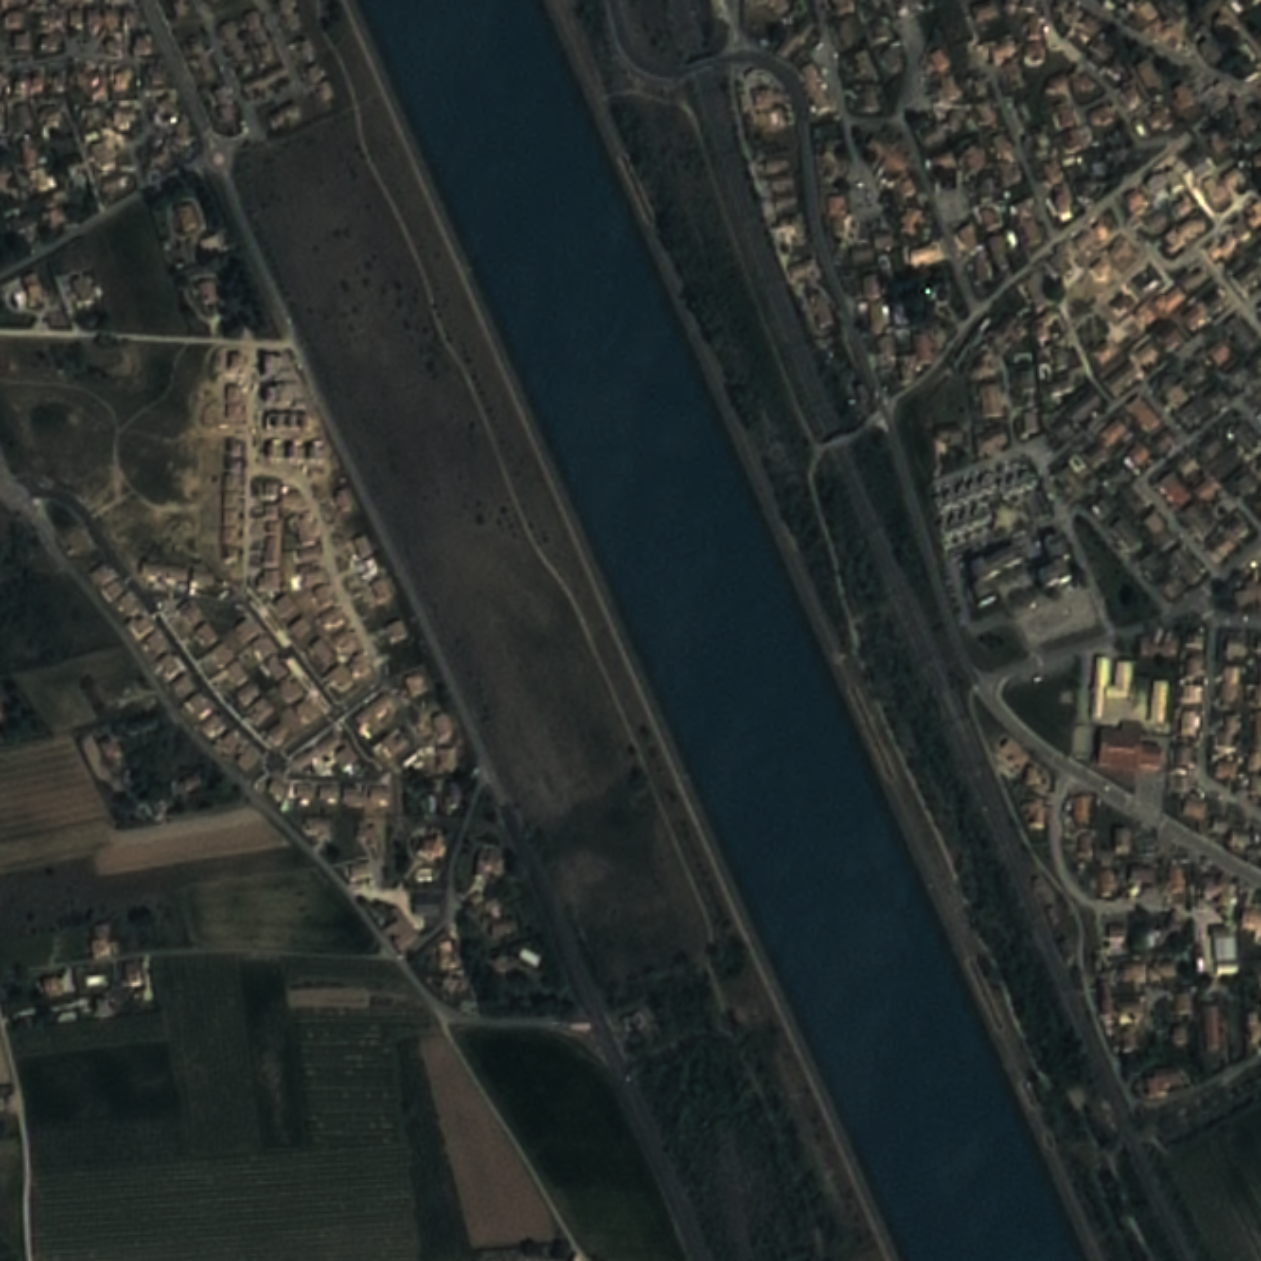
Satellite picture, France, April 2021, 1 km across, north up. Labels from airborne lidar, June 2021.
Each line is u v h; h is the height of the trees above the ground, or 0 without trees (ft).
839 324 23
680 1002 26
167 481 0
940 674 0
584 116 0
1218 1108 47
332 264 0
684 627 0
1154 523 0
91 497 0
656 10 0
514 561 0
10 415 0
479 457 0
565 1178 0
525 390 0
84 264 0
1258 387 20
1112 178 25
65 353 21
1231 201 0
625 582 0
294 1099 0
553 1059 0
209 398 0
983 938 52
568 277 0
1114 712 0
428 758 0
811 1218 65
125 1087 0
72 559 0
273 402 0
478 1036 0
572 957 0
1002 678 0
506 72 0
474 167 0
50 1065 0
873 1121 0
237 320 40
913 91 0
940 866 0
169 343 0
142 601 0
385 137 0
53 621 30
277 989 0
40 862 0
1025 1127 0
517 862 31
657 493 0
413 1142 19
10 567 47
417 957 35
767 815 0
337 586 0
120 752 27
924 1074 0
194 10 0
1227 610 26
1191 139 28
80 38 0
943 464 23
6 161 37
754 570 0
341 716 0
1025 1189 0
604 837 0
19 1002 60
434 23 0
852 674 0
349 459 0
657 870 0
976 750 0
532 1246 29
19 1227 0
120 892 0
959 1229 0
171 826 0
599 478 0
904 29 0
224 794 34
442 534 0
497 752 0
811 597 0
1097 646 0
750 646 0
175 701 0
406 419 0
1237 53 20
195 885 0
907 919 0
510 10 0
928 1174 0
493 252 0
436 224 0
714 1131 27
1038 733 0
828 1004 0
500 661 0
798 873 0
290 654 0
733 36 0
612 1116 0
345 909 0
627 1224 0
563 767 0
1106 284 0
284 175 0
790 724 0
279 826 0
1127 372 0
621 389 0
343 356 0
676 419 0
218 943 0
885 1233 0
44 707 0
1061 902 27
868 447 24
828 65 0
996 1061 0
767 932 0
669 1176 0
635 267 0
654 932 0
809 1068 0
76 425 0
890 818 0
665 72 0
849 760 0
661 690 0
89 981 0
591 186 0
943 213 0
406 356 0
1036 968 31
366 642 0
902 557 37
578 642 0
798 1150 68
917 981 0
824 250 0
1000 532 24
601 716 0
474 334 0
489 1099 0
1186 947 31
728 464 0
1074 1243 0
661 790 0
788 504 30
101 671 0
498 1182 0
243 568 0
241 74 21
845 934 0
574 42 0
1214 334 37
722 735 0
